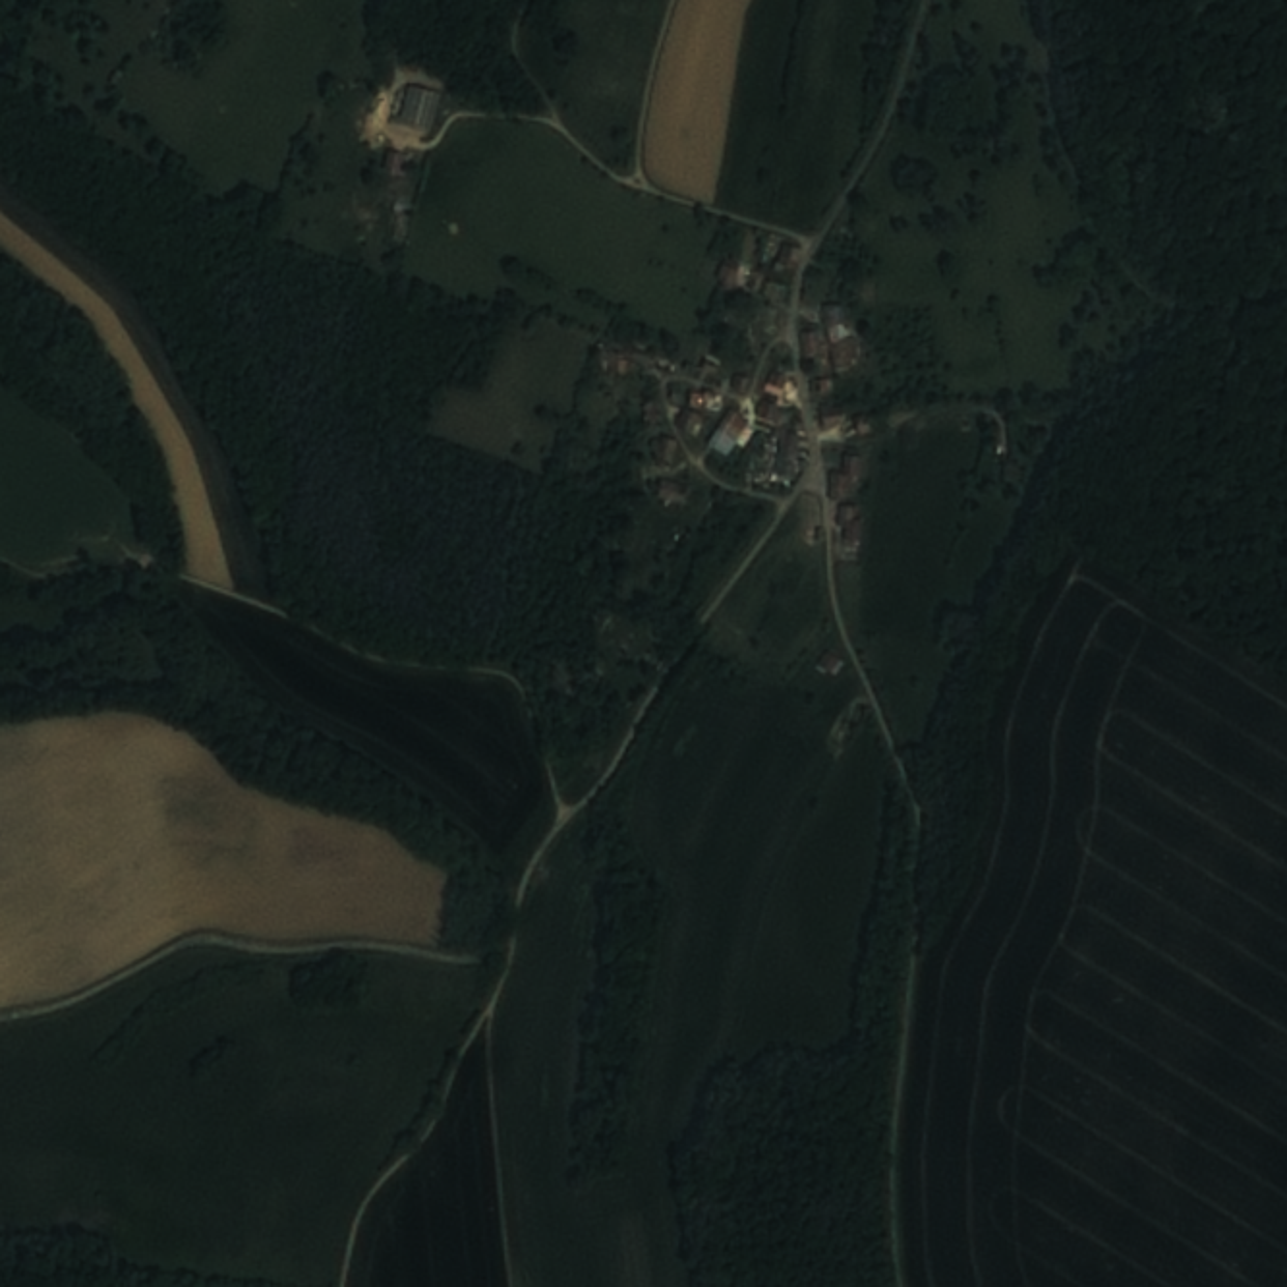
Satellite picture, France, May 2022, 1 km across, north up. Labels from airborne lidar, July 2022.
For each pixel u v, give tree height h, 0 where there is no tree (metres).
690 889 0
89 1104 0
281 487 20
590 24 0
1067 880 0
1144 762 0
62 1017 0
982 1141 0
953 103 21
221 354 14
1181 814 0
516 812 0
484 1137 0
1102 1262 0
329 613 19
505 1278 0
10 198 0
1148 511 28
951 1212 0
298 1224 0
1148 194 22
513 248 0
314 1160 0
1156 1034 0
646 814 0
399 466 11
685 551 9
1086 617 0
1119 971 0
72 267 0
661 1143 0
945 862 21
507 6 12
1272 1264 0
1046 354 0
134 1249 0
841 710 0
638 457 9
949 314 0
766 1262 21
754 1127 17
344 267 7
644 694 13
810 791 0
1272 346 28
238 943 0
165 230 13
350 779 24
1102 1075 0
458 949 21
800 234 0
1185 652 0
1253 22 24
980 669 18
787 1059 18
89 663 20
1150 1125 0
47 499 0
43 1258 21
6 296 23
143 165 10
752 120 0
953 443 0
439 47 16
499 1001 0
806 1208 20
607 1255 0
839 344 0
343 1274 0
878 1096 16
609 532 9
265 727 15
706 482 0
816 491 0
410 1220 0
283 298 11
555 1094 0
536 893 0
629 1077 21
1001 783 0
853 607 0
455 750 0
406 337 10
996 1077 0
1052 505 23
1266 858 0
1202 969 0
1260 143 27
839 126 0
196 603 0
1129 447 25
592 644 15
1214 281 27
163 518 19
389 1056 0
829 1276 22
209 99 0
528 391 0
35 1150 0
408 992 0
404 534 12
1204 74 23
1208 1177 0
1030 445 8
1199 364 25
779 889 0
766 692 0
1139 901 0
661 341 10
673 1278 0
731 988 0
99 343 23
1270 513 27
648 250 0
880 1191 16
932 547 0
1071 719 0
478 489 11
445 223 0
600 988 15
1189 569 29
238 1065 0
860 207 13
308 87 0
